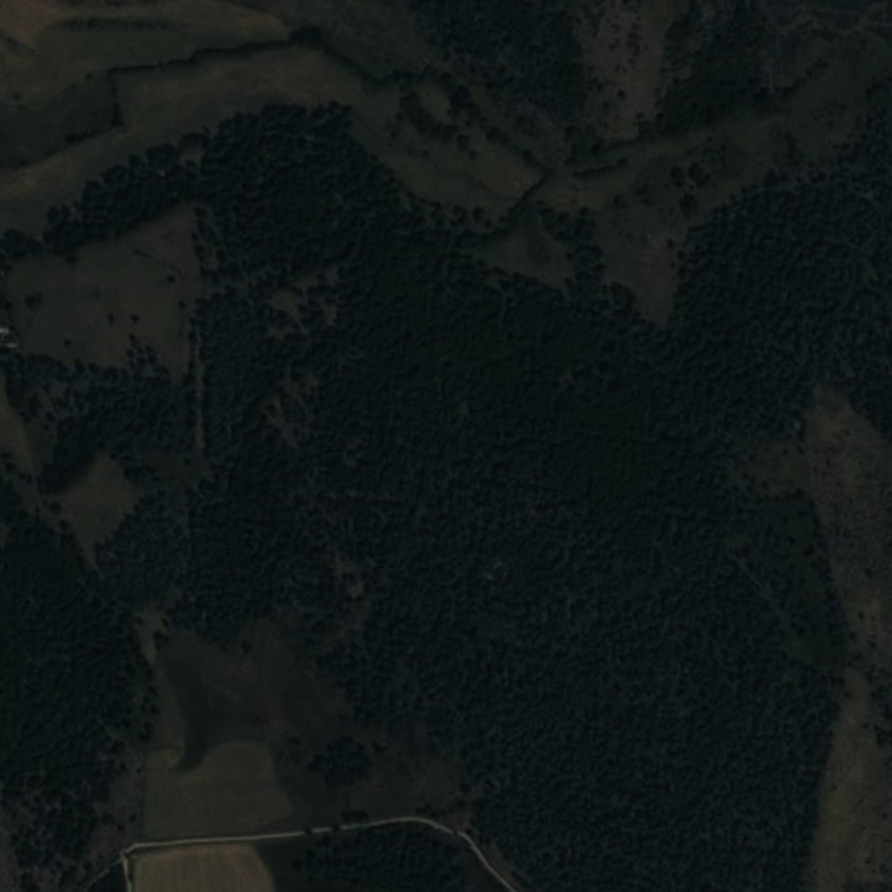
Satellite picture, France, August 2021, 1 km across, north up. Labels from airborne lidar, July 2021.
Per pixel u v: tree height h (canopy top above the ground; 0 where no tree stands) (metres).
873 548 0
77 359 0
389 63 0
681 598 14
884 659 0
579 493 11
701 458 14
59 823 9
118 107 8
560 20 7
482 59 7
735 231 14
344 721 8
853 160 10
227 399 14
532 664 9
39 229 0
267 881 0
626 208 6
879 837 0
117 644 15
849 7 0
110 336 0
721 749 18
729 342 12
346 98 0
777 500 7
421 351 12
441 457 20
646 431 14
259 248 17
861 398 18
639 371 16
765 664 15
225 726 0
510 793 18
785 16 0
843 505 0
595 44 0
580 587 17
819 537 7
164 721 0
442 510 15
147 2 0
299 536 10
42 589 10
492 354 17
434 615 12
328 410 14
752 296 9
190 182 15
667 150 0
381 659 17
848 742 0
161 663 0
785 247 11
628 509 12
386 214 14
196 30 0
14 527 8
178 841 0
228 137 8
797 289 13
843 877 0
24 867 11
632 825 19
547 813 17
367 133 0
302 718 0
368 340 12
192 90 0
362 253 12
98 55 0
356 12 0
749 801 12
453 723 12
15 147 0
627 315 10
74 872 13
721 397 9
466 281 6
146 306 0
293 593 15
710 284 6
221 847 0
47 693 10
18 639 13
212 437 21
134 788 0
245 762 0
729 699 16
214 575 12
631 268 0
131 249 0
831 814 0
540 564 10
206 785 0
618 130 0
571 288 14
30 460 0
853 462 0
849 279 9
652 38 0
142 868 0
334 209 9
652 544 7
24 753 11
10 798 11
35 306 10
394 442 14
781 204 11
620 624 13
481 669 14
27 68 0
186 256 0
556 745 16
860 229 8
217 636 18
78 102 0
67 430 12
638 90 0
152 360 10
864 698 0
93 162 0
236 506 13
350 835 0
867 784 0
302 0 0
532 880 13
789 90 9
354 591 0
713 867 12
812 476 0
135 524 16
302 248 7
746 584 14
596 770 13
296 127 14
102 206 13
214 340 16
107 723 12
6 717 13
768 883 10
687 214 11
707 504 15
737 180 0
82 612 11
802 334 13
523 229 0
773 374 10
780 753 13
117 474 0
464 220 10
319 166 16
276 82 0
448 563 13
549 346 18
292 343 13
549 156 0
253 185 13
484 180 0
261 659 0
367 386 10
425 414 19
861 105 0
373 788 0
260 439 14
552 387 14
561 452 14
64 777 7
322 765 14
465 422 12
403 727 0
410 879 15
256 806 0
